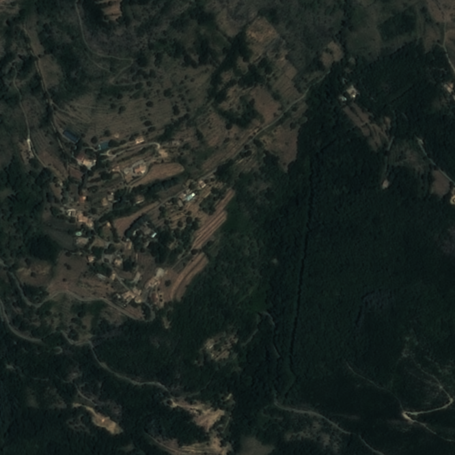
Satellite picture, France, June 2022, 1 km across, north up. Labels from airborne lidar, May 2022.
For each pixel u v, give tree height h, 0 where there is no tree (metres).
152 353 15
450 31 0
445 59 8
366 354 14
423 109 12
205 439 16
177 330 7
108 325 8
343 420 8
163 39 9
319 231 16
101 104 0
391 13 0
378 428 5
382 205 15
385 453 9
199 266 0
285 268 24
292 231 20
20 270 0
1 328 10
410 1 0
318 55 6
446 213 13
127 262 9
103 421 0
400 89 11
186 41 0
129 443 15
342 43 16
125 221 0
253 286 10
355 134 7
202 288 12
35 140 0
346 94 14
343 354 13
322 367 15
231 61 8
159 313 10
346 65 8
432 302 14
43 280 0
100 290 0
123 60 0
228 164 8
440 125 9
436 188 0
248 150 8
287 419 10
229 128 12
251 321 15
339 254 16
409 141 6
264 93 0
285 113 11
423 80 8
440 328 11
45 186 13
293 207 19
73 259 0
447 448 5
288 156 0
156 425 25
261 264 7
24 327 13
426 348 8
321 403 7
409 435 7
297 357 20
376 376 14
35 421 21
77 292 0
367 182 19
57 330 11
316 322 12
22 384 12
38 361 11
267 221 20
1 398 26
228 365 9
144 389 10
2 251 10
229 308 13
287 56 9
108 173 11
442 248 6
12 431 20
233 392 20
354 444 19
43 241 6
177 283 0
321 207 27
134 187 11
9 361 9
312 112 13
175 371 11
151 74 12
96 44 0
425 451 6
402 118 10
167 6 8
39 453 19
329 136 16
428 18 8
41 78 12
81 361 14
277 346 15
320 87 11
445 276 10
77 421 8
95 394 11
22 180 12
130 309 0
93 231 11
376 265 16
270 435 15
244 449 0
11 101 8
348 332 13
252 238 11
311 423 9
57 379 15
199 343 11
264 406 8
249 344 14
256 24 0
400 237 18
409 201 14
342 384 6
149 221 9
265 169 11
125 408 16
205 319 15
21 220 15
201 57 11
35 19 0
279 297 17
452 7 0
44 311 9
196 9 9
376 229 13
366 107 9
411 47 12
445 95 8
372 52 6
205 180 8
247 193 8
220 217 0
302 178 7
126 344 13
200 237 0
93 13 9
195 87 0
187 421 23
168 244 13
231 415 11
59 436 20
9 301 7
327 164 21
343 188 27
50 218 0
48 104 8
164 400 18
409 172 8
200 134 9
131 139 9
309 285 17
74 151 7
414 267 13
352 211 13
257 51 0
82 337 0
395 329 13
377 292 17
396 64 12
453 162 13
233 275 10
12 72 15
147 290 0
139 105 0
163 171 0
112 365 13
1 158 0
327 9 8
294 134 0
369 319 17
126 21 8
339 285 11
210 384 12
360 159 17
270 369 18
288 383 6
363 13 0
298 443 18
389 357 12
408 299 14
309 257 21
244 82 11
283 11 6
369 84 8
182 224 11
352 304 14
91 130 0
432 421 14
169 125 6
